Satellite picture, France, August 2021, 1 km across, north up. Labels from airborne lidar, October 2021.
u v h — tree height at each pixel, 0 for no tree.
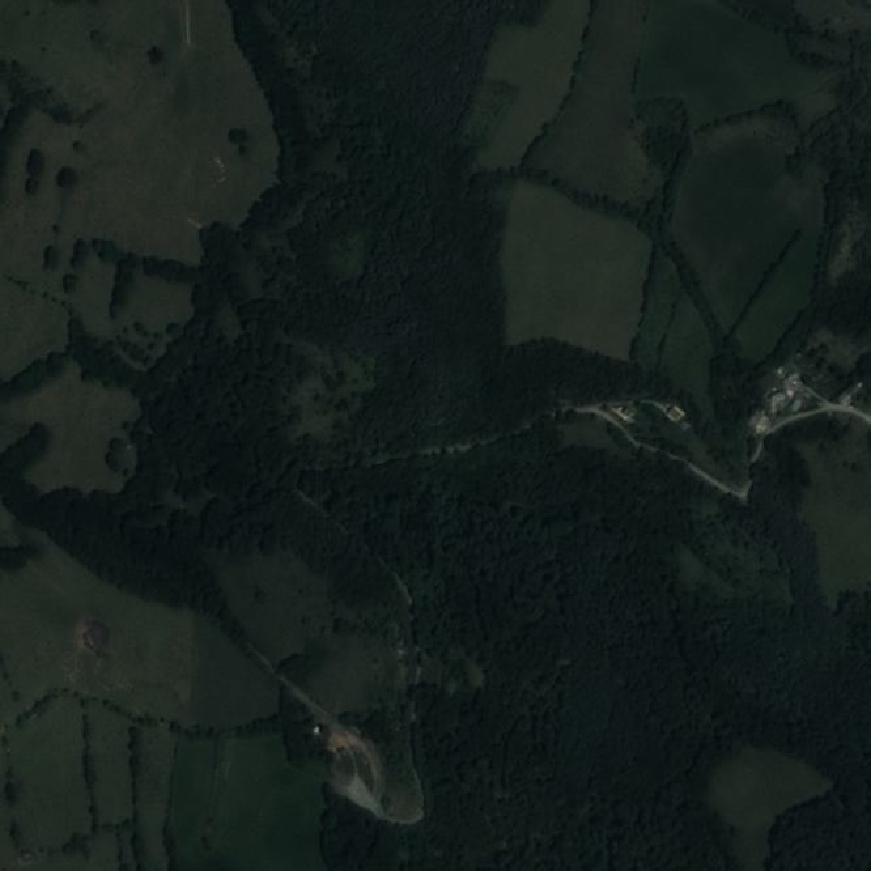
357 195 20
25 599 0
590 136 0
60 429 0
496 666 19
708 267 0
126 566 24
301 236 14
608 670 18
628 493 8
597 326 0
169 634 0
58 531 24
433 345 14
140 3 0
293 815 0
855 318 10
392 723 11
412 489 34
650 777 21
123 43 0
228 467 23
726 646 17
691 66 0
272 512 22
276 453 22
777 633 16
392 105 13
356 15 14
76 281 11
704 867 14
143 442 17
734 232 0
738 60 0
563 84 0
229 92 0
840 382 10
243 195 0
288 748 13
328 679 0
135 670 0
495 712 20
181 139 0
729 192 0
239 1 25
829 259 12
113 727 0
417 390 13
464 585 9
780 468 9
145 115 0
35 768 0
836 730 25
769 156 0
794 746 28
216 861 0
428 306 15
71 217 0
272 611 0
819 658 10
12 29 0
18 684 0
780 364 7
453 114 16
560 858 31
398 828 9
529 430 8
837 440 13
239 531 20
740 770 0
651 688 31
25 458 25
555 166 0
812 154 8
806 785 0
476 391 12
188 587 26
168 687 0
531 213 0
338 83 15
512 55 0
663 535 16
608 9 0
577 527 32
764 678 20
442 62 15
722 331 8
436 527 15
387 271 15
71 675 0
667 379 8
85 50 0
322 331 15
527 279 0
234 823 0
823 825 28
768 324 0
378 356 8
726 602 7
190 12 0
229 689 0
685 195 0
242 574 0
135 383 28
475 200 20
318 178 6
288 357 12
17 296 0
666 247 11
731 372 9
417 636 14
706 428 8
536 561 31
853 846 26
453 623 18
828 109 0
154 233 0
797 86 0
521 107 0
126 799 0
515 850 12
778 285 0
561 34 0
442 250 8
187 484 21
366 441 12
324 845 14
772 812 0
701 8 0
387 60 15
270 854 0
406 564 20
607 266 0
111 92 0
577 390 8
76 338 17
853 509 0
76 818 0
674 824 20
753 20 10
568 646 19
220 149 0
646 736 18
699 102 0
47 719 0
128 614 0
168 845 8
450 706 7
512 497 12
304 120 8
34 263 0
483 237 19
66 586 0
